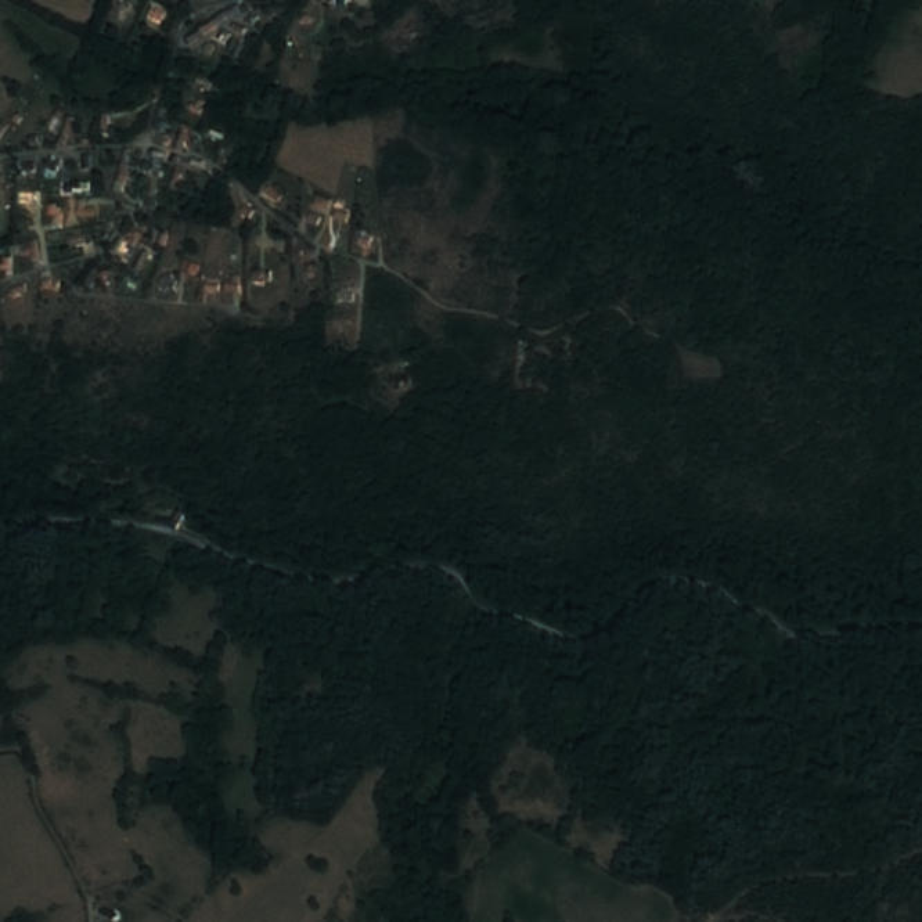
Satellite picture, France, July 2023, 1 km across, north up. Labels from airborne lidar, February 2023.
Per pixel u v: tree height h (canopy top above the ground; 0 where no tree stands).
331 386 17
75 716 0
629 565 23
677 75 13
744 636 24
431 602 6
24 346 9
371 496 19
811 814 19
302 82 0
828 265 25
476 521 20
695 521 17
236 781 0
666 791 9
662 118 19
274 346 9
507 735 8
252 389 7
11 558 11
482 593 26
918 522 13
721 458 12
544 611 26
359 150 0
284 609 30
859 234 17
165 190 8
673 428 10
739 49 12
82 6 0
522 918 0
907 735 25
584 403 6
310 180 0
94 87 0
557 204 11
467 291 0
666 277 13
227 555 15
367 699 14
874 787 13
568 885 0
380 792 10
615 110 19
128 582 7
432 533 19
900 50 0
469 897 0
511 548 24
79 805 0
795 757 17
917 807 16
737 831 22
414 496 21
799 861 18
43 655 0
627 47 12
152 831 0
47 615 19
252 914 0
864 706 15
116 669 0
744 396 8
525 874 0
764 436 13
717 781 11
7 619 13
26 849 0
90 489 17
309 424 13
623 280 9
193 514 19
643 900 0
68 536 24
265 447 12
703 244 9
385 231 0
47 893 0
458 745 11
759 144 13
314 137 0
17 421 13
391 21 12
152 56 18
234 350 8
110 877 0
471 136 14
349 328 0
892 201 8
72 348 5
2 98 0
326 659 16
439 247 0
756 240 10
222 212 12
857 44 19
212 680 11
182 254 7
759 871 8
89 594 15
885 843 12
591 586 21
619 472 12
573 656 15
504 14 0
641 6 9
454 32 13
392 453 16
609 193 13
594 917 0
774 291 8
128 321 0
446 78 12
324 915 0
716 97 15
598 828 0
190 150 0
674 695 9
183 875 0
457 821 14
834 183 14
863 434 8
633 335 12
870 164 6
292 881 0
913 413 7
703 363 0
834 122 10
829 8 14
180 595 0
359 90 22
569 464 9
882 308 25
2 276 0
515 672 18
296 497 16
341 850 0
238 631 17
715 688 16
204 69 6
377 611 20
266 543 25
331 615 8
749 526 16
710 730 13
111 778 0
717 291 9
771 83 12
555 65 0
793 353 7
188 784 18
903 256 27
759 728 23
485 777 8
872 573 25
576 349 10
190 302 0
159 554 0
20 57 0
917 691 17
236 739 0
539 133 27
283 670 12
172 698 7
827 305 18
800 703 13
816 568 23
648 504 8
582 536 14
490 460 17
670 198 19
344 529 19
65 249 14
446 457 13
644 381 13
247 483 19
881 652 19
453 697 11
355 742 15
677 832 10
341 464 17
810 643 24
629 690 8
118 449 11
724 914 0
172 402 9
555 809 0
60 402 6
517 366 0
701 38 15
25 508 20
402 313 0
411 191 0
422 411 15
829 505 9
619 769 14
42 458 7
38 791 0
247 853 10
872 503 8
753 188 22
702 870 12
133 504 15
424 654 11
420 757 17
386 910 11
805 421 6
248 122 7
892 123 10
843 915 12
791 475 10
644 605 14
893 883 9
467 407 13
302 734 14
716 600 10
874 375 13
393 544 23
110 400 7
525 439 12
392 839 13
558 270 10
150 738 0
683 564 25
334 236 0
